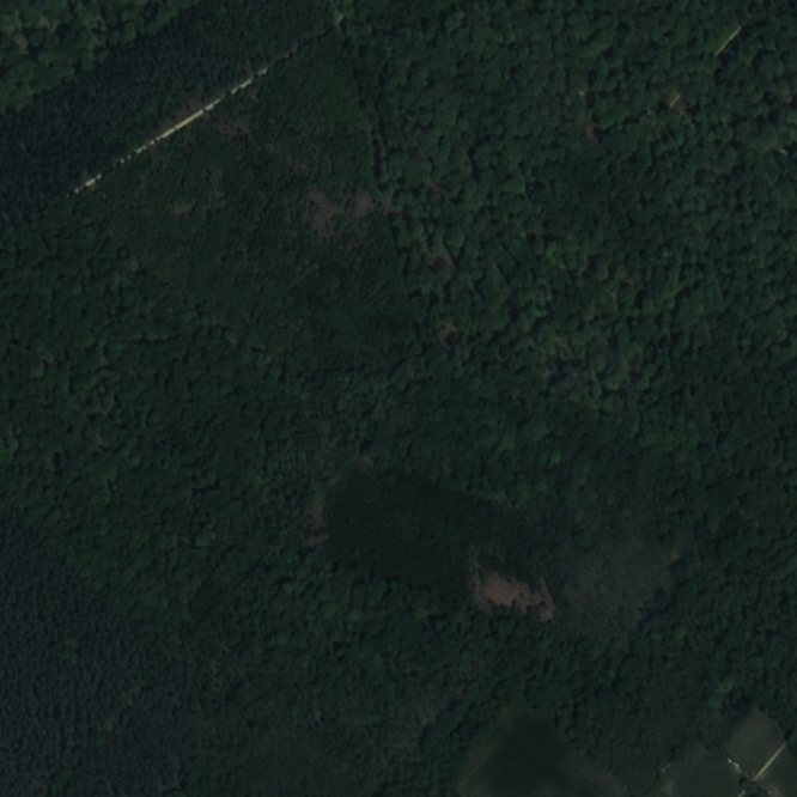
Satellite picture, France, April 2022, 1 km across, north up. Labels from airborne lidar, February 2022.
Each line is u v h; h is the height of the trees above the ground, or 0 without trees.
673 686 12
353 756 13
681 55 35
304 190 8
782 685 27
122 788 24
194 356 26
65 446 24
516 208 33
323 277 11
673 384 28
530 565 11
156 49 23
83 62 32
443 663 26
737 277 35
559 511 20
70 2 36
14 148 31
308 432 22
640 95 34
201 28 25
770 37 29
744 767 0
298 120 6
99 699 24
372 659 28
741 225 28
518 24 32
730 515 27
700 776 0
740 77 33
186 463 22
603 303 33
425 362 14
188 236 9
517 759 0
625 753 13
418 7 11
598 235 31
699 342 35
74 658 25
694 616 26
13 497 19
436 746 27
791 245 35
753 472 27
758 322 30
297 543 6
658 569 17
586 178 30
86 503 24
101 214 9
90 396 13
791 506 25
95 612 23
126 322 26
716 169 32
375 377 21
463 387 28
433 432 28
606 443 30
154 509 23
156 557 20
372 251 6
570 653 21
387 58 23
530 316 30
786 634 26
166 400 24
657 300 34
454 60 32
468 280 30
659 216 30
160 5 10
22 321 27
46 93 20
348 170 9
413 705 25
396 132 14
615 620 16
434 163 34
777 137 35
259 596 23
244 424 23
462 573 6
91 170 29
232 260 6
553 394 31
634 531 19
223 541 20
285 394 21
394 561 7
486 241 31
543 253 30
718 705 29
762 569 16
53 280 24
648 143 32
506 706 23
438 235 31
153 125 18
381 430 26
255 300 9
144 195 6
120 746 20
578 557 19
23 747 21
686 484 21
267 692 20
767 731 0
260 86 7
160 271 10
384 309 8
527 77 32
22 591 25
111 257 28
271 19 25
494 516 10
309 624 24
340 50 9
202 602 23
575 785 0
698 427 29
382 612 23
